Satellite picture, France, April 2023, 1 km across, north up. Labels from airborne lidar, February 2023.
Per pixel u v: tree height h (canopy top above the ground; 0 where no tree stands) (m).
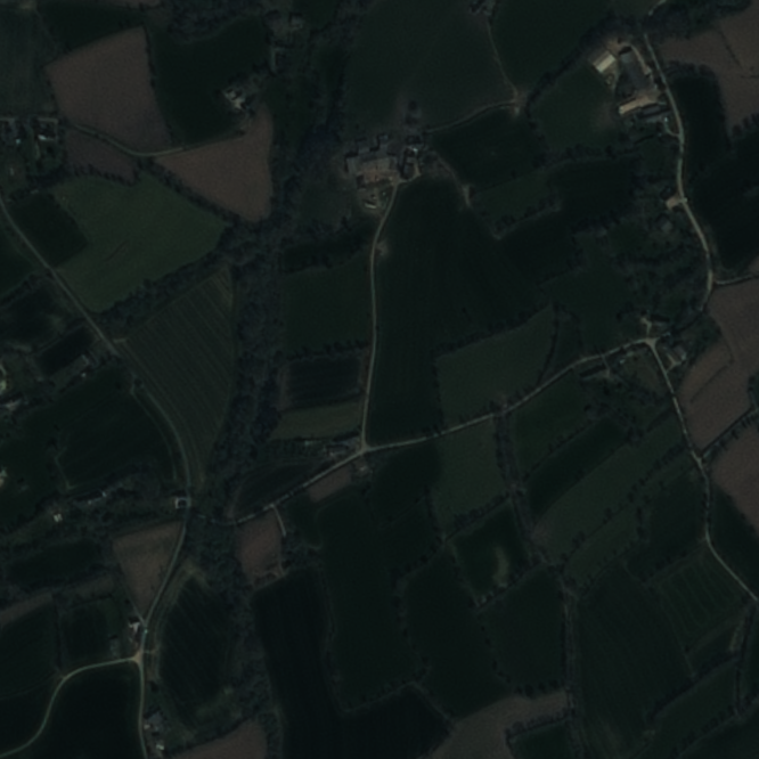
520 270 0
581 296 0
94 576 17
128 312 9
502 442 11
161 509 9
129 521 12
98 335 0
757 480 0
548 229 0
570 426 0
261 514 14
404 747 0
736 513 0
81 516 15
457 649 0
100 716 0
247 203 0
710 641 0
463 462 0
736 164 0
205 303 0
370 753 0
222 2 10
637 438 9
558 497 0
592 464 0
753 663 0
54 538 15
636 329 10
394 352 0
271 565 0
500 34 0
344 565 0
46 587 13
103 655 0
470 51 0
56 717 0
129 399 0
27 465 0
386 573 0
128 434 0
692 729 0
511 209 0
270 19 0
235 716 0
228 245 17
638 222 13
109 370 0
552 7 0
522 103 0
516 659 0
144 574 0
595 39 19
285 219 22
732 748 0
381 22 0
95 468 0
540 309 7
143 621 0
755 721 0
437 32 0
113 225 0
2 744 0
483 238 0
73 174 10
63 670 15
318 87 11
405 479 0
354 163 0
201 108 0
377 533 0
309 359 13
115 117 0
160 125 0
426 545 0
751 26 0
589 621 0
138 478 16
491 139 0
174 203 0
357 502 0
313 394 0
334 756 0
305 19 0
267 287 8
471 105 0
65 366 13
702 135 0
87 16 0
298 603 0
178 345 0
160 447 0
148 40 10
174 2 9
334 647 0
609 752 0
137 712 0
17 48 0
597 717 0
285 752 0
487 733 0
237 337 13
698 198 0
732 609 0
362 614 0
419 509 0
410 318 0
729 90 0
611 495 0
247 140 0
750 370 0
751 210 0
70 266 0
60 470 0
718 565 0
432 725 0
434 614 0
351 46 10
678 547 0
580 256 15
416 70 0
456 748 0
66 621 0
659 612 0
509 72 0
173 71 0
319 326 0
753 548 0
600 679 0
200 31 15
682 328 6
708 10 8
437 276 0
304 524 0
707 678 13
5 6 0
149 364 0
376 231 0
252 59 0
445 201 0
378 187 0
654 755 0
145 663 0
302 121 0
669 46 0
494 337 13
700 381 0
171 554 0
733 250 0
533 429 0
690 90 0
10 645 0
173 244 0
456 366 0
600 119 0
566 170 0
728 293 0
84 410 0
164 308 0
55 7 0
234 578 14
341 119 8
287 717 0
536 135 10
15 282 0
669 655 0
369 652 0
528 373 0
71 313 0
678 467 0
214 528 15
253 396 13
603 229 12
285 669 0
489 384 0
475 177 0
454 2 0
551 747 0
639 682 0
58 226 0
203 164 0
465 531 16
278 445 7
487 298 0
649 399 14
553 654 0
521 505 17
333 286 0
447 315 0
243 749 0
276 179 9
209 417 0
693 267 11
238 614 12
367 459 8
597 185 0
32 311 0
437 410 0
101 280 0
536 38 0
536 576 0
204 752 0
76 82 0
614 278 0
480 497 0
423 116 0
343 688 0
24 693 0
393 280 0
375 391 0
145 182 0
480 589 0
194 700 0
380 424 0
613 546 0
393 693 12
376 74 0
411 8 0
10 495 0
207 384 0
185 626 0
